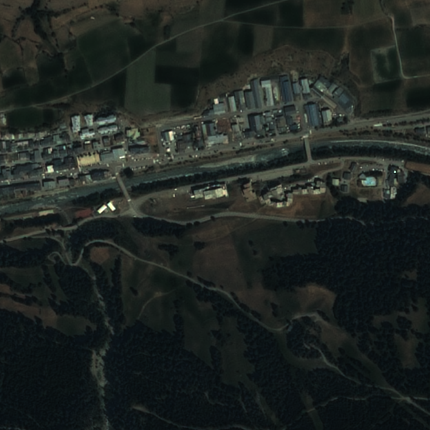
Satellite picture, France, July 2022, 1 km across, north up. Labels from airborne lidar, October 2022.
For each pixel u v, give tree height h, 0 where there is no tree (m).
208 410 8
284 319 0
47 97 0
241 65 0
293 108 0
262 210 0
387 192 0
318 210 0
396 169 0
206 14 0
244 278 0
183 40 0
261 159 0
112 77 0
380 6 0
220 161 0
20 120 0
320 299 0
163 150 0
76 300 22
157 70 0
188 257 0
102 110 6
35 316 0
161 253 0
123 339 21
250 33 0
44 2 0
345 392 8
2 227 0
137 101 0
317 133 0
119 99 0
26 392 10
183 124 0
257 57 0
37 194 0
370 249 8
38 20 13
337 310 10
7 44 0
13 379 12
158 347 15
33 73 0
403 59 0
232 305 11
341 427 12
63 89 0
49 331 16
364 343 12
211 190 0
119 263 19
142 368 14
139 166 0
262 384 8
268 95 0
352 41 0
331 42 0
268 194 0
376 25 0
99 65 0
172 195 0
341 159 0
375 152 13
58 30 0
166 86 0
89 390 19
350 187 0
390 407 12
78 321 0
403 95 0
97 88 0
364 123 0
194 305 0
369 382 14
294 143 0
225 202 0
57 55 8
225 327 0
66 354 7
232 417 7
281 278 14
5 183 0
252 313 11
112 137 0
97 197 13
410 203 0
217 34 0
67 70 9
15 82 0
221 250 0
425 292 14
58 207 0
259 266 0
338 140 0
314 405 9
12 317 21
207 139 0
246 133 0
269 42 0
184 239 0
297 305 0
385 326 18
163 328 0
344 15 0
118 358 24
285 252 0
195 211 0
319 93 0
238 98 0
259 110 0
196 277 0
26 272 0
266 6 0
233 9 0
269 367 22
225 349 0
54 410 7
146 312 0
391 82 0
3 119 0
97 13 0
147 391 13
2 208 0
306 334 8
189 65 0
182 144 0
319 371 13
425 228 24
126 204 0
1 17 0
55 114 0
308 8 0
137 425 6
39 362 11
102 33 0
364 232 26
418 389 18
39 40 0
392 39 0
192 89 0
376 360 19
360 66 0
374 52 0
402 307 15
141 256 0
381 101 0
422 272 17
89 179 0
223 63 0
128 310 0
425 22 0
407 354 0
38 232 0
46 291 0
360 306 21
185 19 0
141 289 0
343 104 0
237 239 0
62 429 24
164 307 0
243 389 20
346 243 18
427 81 0
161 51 0
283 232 0
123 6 0
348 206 23
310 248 0
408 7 0
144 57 0
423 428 12
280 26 0
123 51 0
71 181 0
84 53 0
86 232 7
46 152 0
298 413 12
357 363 14
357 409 12
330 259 18
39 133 0
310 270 14
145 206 0
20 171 0
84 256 9
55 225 0
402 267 13
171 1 0
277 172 0
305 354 11
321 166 0
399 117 0
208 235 0
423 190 0
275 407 10
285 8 0
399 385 19
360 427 7
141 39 0
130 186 0
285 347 0
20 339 26
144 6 0
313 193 0
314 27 0
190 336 0
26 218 0
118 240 11
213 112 0
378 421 8
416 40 0
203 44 0
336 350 0
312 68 0
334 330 0
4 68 0
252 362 14
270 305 0
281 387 19
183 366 18
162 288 0
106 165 0
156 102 0
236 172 7
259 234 0
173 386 13
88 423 10
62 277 23
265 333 21
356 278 22
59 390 7
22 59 0
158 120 0
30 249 0
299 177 9
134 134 0
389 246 26
